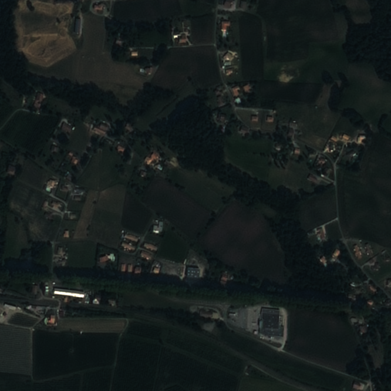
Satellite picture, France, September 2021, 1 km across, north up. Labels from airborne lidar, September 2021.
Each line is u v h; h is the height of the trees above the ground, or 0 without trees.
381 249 0
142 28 19
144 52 0
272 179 0
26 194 0
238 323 0
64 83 13
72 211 0
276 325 0
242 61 0
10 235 0
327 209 0
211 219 8
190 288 33
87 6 0
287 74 0
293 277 12
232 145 0
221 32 0
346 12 19
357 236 0
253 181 17
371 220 0
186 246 0
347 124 0
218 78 0
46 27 0
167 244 0
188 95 0
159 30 14
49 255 0
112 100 16
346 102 0
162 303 0
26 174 0
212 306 0
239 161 0
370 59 12
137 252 0
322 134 0
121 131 9
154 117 0
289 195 23
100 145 10
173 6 0
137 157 0
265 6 0
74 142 0
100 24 0
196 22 0
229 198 6
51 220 8
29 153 6
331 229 0
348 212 0
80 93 25
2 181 26
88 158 13
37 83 20
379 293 6
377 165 0
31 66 0
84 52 0
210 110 12
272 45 0
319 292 8
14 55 24
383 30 26
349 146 12
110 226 0
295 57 0
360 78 0
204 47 0
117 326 0
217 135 20
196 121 24
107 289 27
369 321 7
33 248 8
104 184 0
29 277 34
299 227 12
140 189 13
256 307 0
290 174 0
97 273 23
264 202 14
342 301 39
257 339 0
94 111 0
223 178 15
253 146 0
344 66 0
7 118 0
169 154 0
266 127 0
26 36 0
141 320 0
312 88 0
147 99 24
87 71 0
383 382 12
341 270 16
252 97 10
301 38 0
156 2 0
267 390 0
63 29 0
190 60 0
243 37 0
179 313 13
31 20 0
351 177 0
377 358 0
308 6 0
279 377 0
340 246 14
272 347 0
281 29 0
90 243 0
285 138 9
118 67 0
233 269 12
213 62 0
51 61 0
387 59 19
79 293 0
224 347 0
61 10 0
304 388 0
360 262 0
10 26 21
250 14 0
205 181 0
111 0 0
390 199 0
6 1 23
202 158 18
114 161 0
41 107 16
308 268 25
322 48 0
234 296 30
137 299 0
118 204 0
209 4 0
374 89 0
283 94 0
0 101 13
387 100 0
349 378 0
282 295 40
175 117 17
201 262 0
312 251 21
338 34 0
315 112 0
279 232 15
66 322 0
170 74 0
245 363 0
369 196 0
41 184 0
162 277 0
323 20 0
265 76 0
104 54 0
